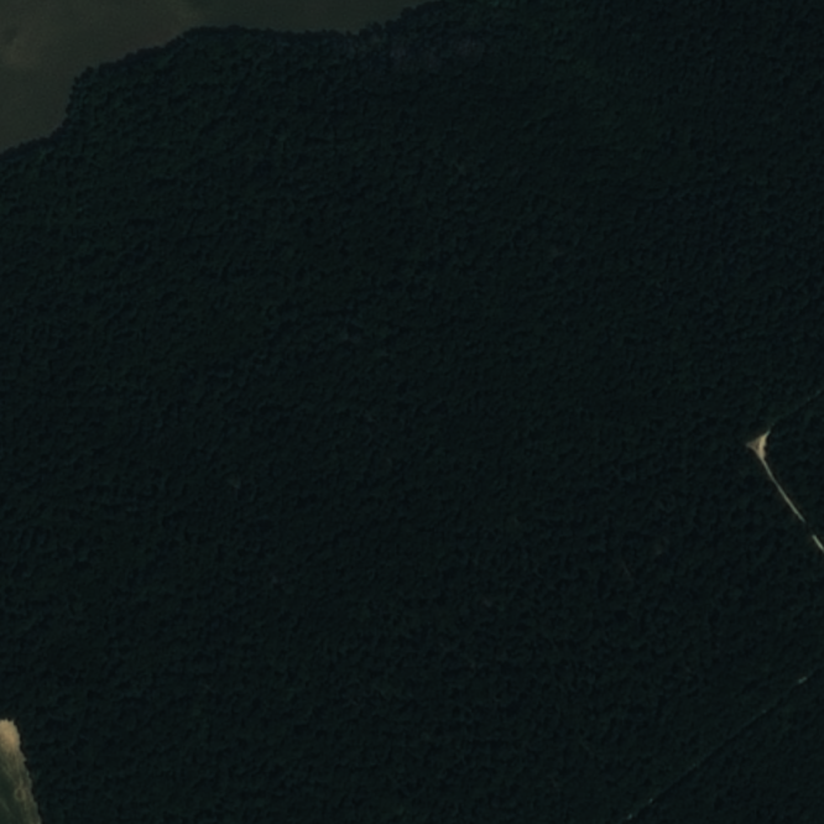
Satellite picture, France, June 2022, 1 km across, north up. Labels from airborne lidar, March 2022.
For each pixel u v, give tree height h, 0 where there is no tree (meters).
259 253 19
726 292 23
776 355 23
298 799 20
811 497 17
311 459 18
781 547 21
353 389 18
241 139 21
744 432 20
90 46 0
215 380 25
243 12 0
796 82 23
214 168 19
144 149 18
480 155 0
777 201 27
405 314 22
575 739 20
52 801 17
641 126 18
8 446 24
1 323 20
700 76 16
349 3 0
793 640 21
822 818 13
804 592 22
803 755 17
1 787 0
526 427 19
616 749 20
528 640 0
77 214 17
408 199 24
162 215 14
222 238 20
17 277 18
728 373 24
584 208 21
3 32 0
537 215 0
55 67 0
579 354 20
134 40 0
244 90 21
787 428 13
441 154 0
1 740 0
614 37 17
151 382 17
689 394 20
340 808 19
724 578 23
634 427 23
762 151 19
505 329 21
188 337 16
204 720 17
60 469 24
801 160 17
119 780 18
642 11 20
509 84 17
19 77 0
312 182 15
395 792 24
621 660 21
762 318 23
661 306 23
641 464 21
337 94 15
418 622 0
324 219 15
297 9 0
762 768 16
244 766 19
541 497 14
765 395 15
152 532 11
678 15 23
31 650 20
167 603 17
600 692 23
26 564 24
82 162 19
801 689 16
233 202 17
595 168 25
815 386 11
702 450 22
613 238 22
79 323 18
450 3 17
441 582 16
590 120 18
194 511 22
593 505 18
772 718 15
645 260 21
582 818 16
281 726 22
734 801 21
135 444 23
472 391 14
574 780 18
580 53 17
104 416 25
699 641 19
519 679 24
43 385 20
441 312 19
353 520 20
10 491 21
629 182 23
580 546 22
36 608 21
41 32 0
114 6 0
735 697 15
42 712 19
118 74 20
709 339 22
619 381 24
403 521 22
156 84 19
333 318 21
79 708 18
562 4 14
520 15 17
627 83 18
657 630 23
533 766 21
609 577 23
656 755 16
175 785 18
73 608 16
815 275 24
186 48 20
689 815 19
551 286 21
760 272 23
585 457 16
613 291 20
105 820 19
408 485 16
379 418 17
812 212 25
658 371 19
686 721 17
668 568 24
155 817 19
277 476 22
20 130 0
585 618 24
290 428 17
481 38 24
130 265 16
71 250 19
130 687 19
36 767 20
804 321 23
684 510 18
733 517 24
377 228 21
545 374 21
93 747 19
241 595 23
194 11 0
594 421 17
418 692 20
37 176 14
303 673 20
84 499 18
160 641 17
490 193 22
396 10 0
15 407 20
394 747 24
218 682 20
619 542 22
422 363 15
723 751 16
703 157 27
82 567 23
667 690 18
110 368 16
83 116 17
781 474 15
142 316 15
